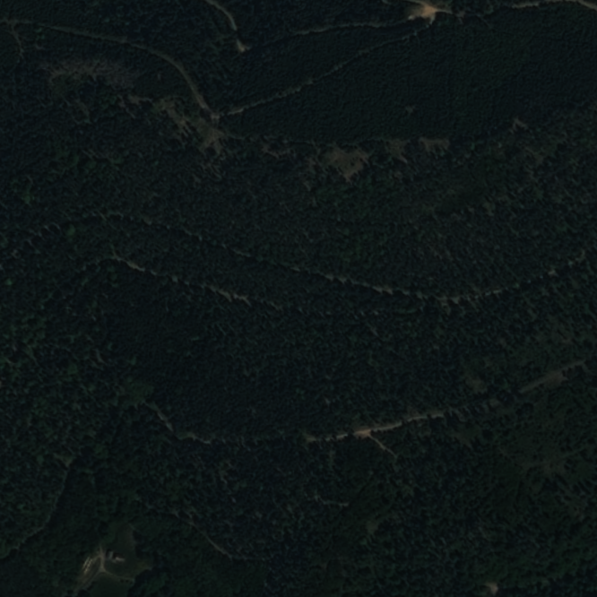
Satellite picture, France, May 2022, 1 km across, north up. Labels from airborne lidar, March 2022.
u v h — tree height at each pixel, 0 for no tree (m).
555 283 24
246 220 26
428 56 8
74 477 23
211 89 34
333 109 10
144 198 26
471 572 21
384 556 8
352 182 20
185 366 22
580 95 16
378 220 23
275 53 18
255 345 32
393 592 30
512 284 20
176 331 22
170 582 19
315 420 25
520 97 15
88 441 32
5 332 28
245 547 31
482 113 9
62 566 10
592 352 38
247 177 27
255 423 25
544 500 9
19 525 7
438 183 22
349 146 9
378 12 17
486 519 7
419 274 28
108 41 7
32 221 30
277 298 27
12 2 7
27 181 25
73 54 19
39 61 21
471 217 24
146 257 24
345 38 10
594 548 19
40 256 25
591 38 7
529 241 30
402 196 21
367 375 27
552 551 28
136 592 13
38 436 34
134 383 20
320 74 15
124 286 24
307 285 28
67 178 30
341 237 25
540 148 21
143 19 26
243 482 27
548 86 14
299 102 6
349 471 8
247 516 11
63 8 7
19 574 18
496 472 12
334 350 24
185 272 24
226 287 30
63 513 19
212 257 27
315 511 28
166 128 27
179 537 28
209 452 29
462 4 25
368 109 12
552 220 30
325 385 28
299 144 9
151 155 27
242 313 28
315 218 22
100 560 0
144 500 14
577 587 17
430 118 16
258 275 30
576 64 12
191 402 29
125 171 24
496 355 33
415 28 18
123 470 23
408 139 7
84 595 20
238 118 6
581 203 36
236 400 25
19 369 28
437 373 27
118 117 21
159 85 13
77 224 23
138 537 20
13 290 20
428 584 34
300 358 31
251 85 11
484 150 24
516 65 6
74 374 29
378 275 24
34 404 29
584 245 28
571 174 11
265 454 29
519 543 25
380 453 11
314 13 18
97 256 18
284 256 23
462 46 7
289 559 35
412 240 22
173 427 29
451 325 16
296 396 25
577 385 10
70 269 22
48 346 29
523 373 7
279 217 22
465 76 10
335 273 27
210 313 16
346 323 26
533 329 30
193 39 11
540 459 9
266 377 26
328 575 12
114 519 14
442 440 16
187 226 23
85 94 24
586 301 9
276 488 26
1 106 24
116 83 19
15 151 24
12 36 9
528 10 7
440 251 31
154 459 19
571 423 11
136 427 33
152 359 30
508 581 9
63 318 25
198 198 23
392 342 18
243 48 0
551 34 10
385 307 24
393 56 11
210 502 30
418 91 13
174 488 13
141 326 25
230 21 7
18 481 35
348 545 13
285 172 26
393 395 28
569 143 14
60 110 22
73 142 24
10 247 26
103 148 25
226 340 30
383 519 9
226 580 21
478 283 25
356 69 9
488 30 10
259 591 21
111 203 21
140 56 11
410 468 39
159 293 21
